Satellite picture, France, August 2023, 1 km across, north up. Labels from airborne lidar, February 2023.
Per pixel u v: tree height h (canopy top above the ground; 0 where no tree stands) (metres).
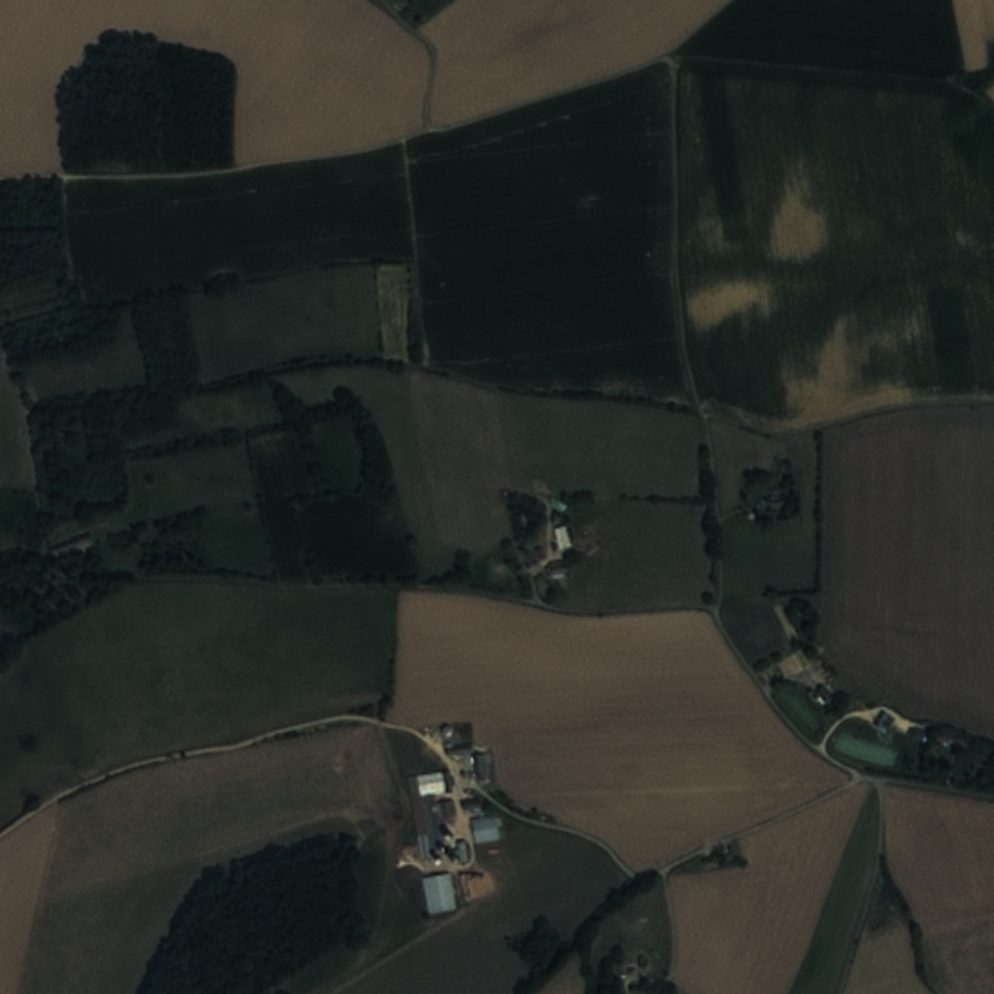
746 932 0
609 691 0
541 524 8
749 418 0
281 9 0
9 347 7
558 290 0
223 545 0
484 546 0
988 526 0
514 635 0
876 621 0
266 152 0
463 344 0
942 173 0
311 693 0
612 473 0
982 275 0
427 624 0
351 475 0
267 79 0
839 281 0
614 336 0
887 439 0
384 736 0
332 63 0
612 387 0
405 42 0
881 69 0
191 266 0
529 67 0
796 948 0
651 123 0
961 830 0
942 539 0
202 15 0
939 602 0
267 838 0
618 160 0
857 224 0
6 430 0
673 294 0
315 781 0
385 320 0
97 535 0
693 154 0
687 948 0
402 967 0
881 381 0
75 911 0
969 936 0
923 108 0
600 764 0
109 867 0
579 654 0
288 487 0
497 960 0
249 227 0
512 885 0
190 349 17
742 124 0
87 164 16
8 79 0
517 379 0
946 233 0
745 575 0
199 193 0
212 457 0
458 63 0
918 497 0
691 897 0
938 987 0
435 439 0
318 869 22
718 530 17
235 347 0
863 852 0
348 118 0
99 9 0
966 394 0
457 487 0
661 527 0
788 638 0
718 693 0
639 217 0
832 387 0
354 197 0
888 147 0
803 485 0
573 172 0
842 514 0
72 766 0
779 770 0
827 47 0
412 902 0
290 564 0
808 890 0
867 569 0
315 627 0
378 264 8
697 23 0
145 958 0
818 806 0
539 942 18
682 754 0
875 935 0
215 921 21
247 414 0
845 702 13
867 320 0
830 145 0
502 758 0
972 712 0
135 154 16
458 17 0
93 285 0
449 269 0
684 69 0
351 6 0
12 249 8
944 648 0
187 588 0
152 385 14
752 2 0
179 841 0
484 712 0
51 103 0
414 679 0
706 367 0
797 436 0
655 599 0
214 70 10
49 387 0
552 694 0
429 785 0
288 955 21
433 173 0
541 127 0
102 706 0
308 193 0
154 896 0
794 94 0
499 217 0
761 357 0
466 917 0
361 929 18
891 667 0
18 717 0
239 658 0
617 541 0
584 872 0
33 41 0
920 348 0
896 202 0
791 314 0
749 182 0
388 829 0
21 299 0
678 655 0
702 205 0
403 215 0
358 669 0
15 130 0
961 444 0
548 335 0
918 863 0
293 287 0
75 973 0
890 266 0
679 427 0
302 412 15
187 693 0
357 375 0
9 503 0
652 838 0
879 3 0
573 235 0
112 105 20
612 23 0
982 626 0
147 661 0
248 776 0
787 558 0
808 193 0
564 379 0
